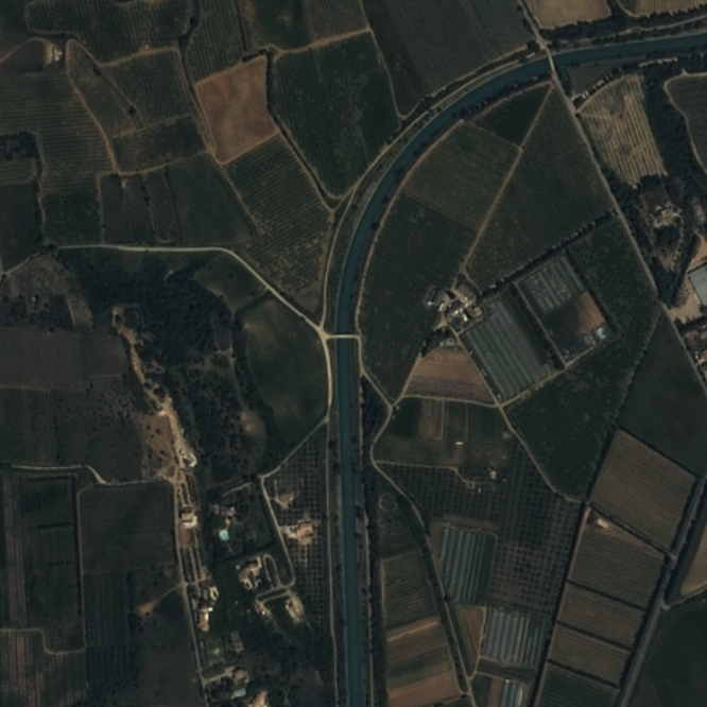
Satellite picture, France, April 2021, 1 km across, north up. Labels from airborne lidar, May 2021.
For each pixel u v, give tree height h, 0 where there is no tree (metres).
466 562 0
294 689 6
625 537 0
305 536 0
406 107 0
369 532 9
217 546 11
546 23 0
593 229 11
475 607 0
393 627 0
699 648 0
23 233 0
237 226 0
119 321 7
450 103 0
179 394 7
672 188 11
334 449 12
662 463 0
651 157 0
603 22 13
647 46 0
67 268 6
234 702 7
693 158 9
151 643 0
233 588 0
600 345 0
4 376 0
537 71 0
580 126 0
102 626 0
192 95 0
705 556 0
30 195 0
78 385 0
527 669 0
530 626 0
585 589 8
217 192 0
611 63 0
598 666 0
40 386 0
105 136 0
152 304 7
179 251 0
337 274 10
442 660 0
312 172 10
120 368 0
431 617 0
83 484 0
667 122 7
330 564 0
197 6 0
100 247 0
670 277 17
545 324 0
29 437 0
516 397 0
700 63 12
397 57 0
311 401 0
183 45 8
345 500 0
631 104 0
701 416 0
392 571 0
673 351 0
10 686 0
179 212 0
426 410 0
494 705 0
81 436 0
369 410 10
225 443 6
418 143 0
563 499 7
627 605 9
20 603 0
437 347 0
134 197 0
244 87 0
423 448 0
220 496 9
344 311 0
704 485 0
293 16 0
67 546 0
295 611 0
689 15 7
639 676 0
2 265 0
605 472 0
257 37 0
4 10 0
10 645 0
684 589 0
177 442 0
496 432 0
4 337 0
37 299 7
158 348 7
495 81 0
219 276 0
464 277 6
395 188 0
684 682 0
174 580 0
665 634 0
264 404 8
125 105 0
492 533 0
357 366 0
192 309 13
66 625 0
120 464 0
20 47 0
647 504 0
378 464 0
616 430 16
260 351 0
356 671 0
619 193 15
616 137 0
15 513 0
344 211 0
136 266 0
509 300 0
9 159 6
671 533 0
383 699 6
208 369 0
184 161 0
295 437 0
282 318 0
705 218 0
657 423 0
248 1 0
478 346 0
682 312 0
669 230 13
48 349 0
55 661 0
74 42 0
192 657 0
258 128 0
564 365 9
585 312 0
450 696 0
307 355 0
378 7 0
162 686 0
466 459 0
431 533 7
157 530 0
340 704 6
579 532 11
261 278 0
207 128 0
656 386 0
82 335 0
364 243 0
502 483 7
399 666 0
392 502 0
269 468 7
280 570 0
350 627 0
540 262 11
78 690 0
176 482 0
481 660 0
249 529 6
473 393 0
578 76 0
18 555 0
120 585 0
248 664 0
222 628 0
